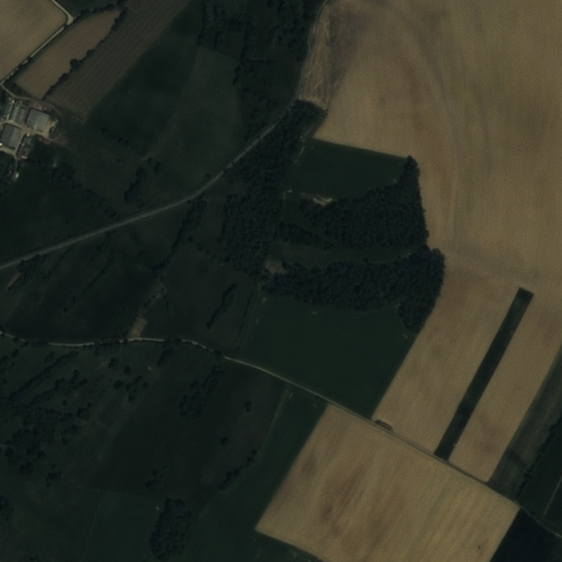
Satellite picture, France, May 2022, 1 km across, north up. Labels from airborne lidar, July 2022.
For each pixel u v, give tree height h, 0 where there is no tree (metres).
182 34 0
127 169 0
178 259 0
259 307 0
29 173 0
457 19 0
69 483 0
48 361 9
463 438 0
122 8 10
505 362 0
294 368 0
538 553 0
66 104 0
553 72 0
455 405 0
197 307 0
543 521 0
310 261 0
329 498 0
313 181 0
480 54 0
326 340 0
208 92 0
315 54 0
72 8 0
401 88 0
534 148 0
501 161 0
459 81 0
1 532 0
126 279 0
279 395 0
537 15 0
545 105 0
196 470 0
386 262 0
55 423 18
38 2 0
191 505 0
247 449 0
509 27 0
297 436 0
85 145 0
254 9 0
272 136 6
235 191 0
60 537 0
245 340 0
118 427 0
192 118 0
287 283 27
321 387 0
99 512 0
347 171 0
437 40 0
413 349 0
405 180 18
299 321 0
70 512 0
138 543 0
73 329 0
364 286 25
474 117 0
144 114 0
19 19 0
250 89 10
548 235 0
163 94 0
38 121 0
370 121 0
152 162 12
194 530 0
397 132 0
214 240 0
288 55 0
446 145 0
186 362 0
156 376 0
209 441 0
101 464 0
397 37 0
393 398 0
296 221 0
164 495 0
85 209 0
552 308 0
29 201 0
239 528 0
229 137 0
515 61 0
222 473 0
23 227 0
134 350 0
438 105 0
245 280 0
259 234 20
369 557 0
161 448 0
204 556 0
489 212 0
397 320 0
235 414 0
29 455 16
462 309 0
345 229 20
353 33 0
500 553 0
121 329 0
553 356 0
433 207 0
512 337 0
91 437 0
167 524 21
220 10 21
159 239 0
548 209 0
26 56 0
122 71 0
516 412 0
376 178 0
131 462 0
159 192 0
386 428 0
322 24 0
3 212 0
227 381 0
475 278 0
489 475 0
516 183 0
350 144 0
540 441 0
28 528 0
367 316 0
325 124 0
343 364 0
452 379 0
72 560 0
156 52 0
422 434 0
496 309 0
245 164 18
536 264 0
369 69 0
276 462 0
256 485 0
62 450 0
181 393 0
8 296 0
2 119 0
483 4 0
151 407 0
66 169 0
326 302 24
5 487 0
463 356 0
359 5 0
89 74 0
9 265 0
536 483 0
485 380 0
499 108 0
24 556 0
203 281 0
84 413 16
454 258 0
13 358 10
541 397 0
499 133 0
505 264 0
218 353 13
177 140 0
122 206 0
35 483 0
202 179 0
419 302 20
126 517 0
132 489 0
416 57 0
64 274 0
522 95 0
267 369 0
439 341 0
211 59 0
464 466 0
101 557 0
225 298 13
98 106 0
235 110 0
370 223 25
